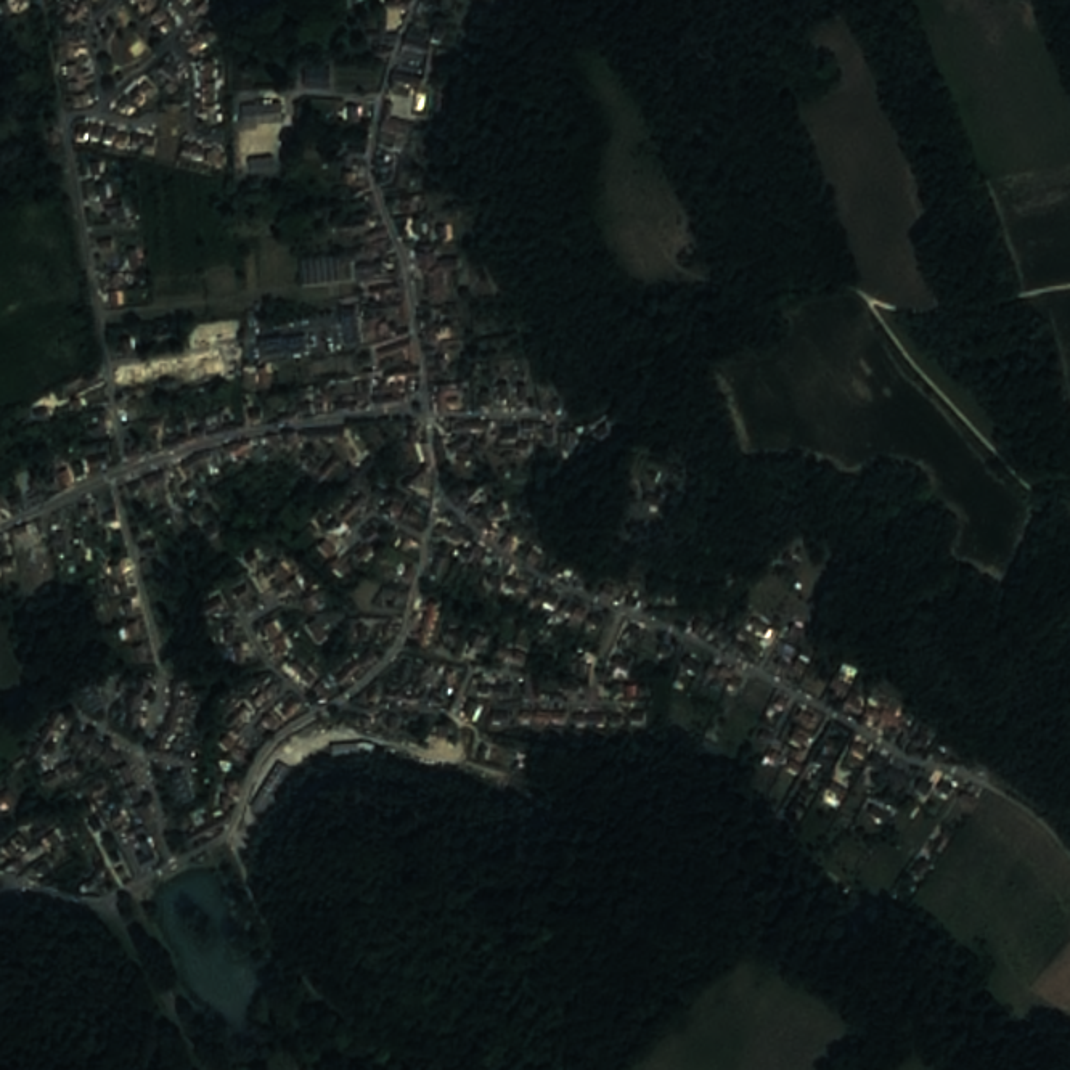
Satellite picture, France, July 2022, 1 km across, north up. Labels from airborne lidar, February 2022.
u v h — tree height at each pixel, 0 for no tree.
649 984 21
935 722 12
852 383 0
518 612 6
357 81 0
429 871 18
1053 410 19
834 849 7
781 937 27
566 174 16
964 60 0
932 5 0
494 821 21
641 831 25
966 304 14
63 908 14
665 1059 0
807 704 0
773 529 20
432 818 7
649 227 0
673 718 0
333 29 0
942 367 11
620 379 21
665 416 20
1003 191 0
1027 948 0
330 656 15
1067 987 0
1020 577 20
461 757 0
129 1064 17
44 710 14
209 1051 34
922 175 15
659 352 26
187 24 0
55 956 18
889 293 0
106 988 19
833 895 23
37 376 0
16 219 0
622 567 12
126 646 0
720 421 17
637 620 0
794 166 22
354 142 7
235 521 9
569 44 7
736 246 22
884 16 18
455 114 22
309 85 0
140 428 0
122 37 8
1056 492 11
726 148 20
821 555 10
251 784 0
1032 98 0
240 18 29
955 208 20
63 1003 16
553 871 21
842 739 6
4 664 0
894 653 15
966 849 0
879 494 14
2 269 0
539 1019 17
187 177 0
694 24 20
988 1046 27
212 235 0
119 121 0
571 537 17
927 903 0
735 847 29
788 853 27
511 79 21
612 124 0
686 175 18
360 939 16
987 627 20
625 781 22
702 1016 0
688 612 10
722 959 24
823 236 14
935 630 16
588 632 0
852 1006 17
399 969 12
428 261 0
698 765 20
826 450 0
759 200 18
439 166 13
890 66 14
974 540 0
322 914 15
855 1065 21
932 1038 23
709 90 21
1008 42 0
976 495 0
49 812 15
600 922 24
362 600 0
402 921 9
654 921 26
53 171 15
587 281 16
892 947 23
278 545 7
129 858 0
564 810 18
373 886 16
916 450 0
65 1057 21
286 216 11
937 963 27
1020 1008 0
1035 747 20
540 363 17
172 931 0
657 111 19
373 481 7
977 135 0
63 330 0
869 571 22
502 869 17
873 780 9
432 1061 21
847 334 0
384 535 10
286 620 9
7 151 23
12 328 0
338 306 0
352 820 15
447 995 21
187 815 13
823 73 14
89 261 0
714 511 21
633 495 16
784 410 0
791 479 14
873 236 0
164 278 0
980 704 20
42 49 6
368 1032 20
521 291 17
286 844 13
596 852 23
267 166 0
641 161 0
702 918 26
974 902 0
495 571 10
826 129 0
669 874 24
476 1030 8
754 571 22
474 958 6
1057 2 10
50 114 15
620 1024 20
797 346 0
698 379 18
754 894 24
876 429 0
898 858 0
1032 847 0
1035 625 26
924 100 20
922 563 18
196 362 16
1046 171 0
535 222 19
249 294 0
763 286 20
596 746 20
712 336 22
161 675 0
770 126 20
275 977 29
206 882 0
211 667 19
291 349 0
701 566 15
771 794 0
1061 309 0
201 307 0
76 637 11
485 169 17
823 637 25
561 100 21
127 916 15
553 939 20
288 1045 18
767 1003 0
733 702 0
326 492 16
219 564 13
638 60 20
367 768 17
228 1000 0
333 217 7
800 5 18
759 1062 0
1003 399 19
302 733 0
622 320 16
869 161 0
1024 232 0
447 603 13
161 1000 0
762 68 21
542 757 17
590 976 23
